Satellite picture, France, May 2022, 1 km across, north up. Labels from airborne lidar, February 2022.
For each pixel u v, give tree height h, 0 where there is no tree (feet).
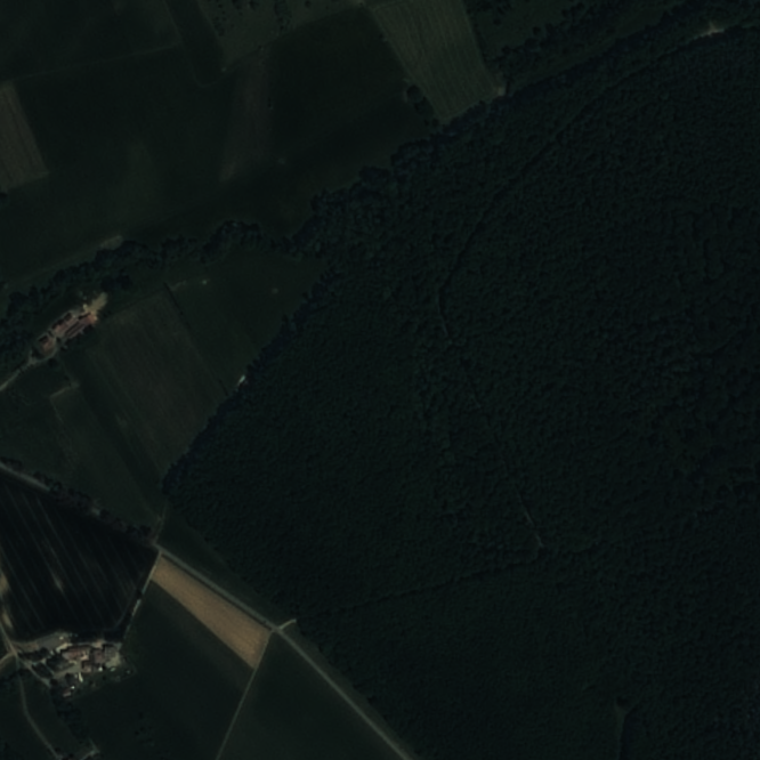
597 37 64
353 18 0
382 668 53
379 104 0
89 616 0
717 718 43
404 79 0
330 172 0
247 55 0
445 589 67
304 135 0
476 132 93
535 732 75
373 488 78
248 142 0
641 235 86
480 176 75
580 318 76
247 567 68
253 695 0
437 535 81
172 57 0
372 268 96
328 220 89
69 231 0
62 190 0
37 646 0
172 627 0
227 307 0
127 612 0
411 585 64
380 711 54
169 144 0
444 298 71
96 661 0
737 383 86
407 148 35
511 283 73
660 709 76
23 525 0
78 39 0
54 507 0
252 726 0
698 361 91
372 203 97
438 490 91
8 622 0
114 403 0
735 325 98
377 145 0
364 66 0
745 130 73
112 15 0
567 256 72
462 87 0
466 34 0
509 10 94
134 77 0
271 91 0
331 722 0
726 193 80
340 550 75
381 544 74
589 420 78
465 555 78
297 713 0
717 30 0
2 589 0
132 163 0
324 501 76
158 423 0
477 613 64
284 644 0
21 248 0
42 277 0
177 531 0
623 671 79
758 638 69
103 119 0
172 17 0
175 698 0
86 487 0
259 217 0
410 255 77
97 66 0
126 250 45
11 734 0
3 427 0
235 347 0
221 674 0
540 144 76
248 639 0
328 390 76
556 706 76
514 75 70
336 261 79
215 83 0
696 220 93
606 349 89
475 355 67
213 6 0
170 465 0
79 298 0
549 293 47
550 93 80
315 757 0
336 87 0
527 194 68
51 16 0
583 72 60
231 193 0
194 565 0
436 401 88
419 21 0
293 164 0
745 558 61
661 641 78
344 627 55
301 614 47
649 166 75
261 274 0
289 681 0
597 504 85
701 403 97
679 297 81
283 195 0
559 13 0
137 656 0
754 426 83
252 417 77
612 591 66
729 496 71
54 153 0
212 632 0
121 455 0
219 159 0
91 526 0
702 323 93
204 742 0
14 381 0
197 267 0
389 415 80
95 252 0
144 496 0
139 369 0
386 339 83
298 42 0
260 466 83
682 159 70
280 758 0
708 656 81
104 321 0
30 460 0
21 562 0
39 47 0
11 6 0
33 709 0
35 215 0
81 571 0
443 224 84
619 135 87
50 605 0
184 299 0
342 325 80
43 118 0
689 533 74
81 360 0
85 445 0
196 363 0
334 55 0
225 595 0
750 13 81
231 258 0
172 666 0
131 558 0
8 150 0
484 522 78
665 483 91
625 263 84
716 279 93
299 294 0
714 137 73
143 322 0
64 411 0
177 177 0
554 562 73
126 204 0
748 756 59
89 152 0
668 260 90
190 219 0
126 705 0
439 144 81
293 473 83
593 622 82
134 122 0
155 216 0
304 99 0
